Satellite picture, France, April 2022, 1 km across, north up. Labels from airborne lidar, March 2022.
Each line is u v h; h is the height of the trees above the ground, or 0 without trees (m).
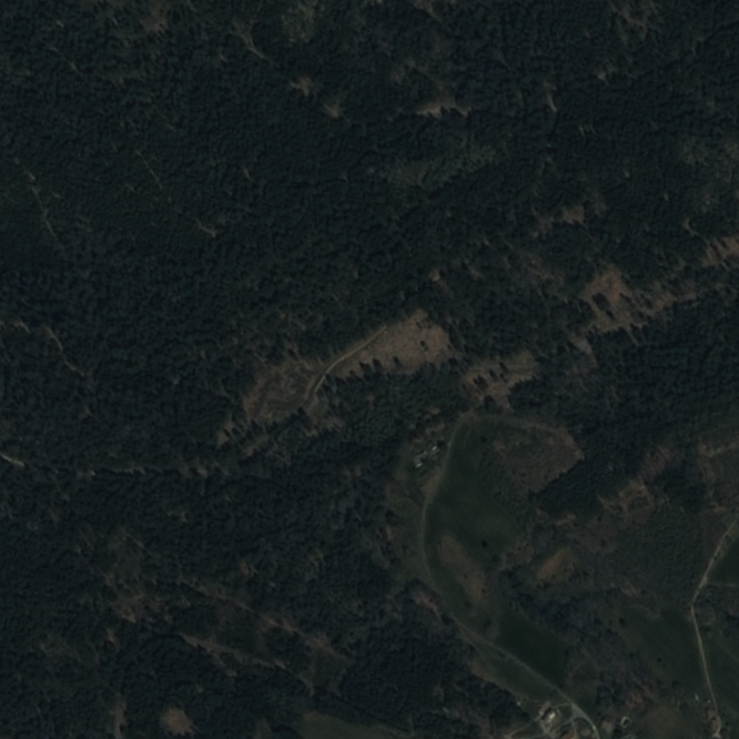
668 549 10
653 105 25
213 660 17
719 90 28
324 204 17
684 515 7
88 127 22
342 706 27
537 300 21
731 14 27
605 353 36
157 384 9
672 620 0
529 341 19
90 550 25
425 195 22
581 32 27
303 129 15
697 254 24
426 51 10
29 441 27
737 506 8
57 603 21
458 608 0
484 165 16
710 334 19
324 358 21
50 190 11
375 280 28
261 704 25
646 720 0
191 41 8
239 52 16
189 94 25
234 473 21
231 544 18
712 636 8
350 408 25
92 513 21
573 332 22
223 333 23
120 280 28
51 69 20
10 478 23
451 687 17
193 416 28
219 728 33
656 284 27
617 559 10
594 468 17
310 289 24
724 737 6
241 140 15
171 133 9
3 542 28
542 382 21
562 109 21
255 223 18
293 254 24
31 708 25
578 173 19
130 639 18
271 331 34
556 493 16
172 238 11
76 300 29
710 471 0
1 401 24
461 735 25
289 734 29
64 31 8
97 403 31
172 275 24
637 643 0
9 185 10
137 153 13
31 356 11
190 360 25
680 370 27
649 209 23
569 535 18
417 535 0
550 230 22
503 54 17
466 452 0
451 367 13
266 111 13
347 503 29
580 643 23
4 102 20
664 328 25
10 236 9
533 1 25
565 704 0
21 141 23
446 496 0
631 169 18
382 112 11
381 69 9
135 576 16
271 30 12
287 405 0
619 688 14
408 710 18
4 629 26
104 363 9
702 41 22
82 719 24
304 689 25
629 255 32
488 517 0
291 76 15
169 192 10
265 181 19
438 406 13
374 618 25
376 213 24
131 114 17
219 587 29
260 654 12
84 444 18
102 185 9
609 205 16
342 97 11
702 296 26
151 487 8
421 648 21
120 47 26
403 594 30
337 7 9
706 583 0
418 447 9
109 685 27
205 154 13
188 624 22
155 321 21
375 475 23
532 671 0
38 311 32
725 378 24
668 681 0
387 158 12
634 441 28
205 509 18
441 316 16
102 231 11
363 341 17
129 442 22
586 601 14
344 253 23
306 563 26
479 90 23
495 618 0
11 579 21
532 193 23
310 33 13
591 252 34
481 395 23
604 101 27
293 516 19
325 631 21
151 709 22
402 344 0
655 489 20
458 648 22
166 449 29
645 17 18
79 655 22
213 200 9
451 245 27
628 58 20
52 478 30
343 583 26
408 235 29
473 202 31
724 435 0
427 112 0
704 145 13
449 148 17
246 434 27
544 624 24
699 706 0
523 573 14
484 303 29
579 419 11
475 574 0
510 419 22
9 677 24
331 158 17
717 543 0
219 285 26
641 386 31
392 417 19
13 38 10
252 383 28
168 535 18
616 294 0
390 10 12
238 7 14
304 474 26
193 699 27
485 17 34
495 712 21
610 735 0
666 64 19
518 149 18
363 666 22
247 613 11
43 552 19
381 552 25
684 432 25
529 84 26
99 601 19
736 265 27
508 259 18
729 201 21
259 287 13
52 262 8
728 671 0
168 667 32
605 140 16
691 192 23
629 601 14
